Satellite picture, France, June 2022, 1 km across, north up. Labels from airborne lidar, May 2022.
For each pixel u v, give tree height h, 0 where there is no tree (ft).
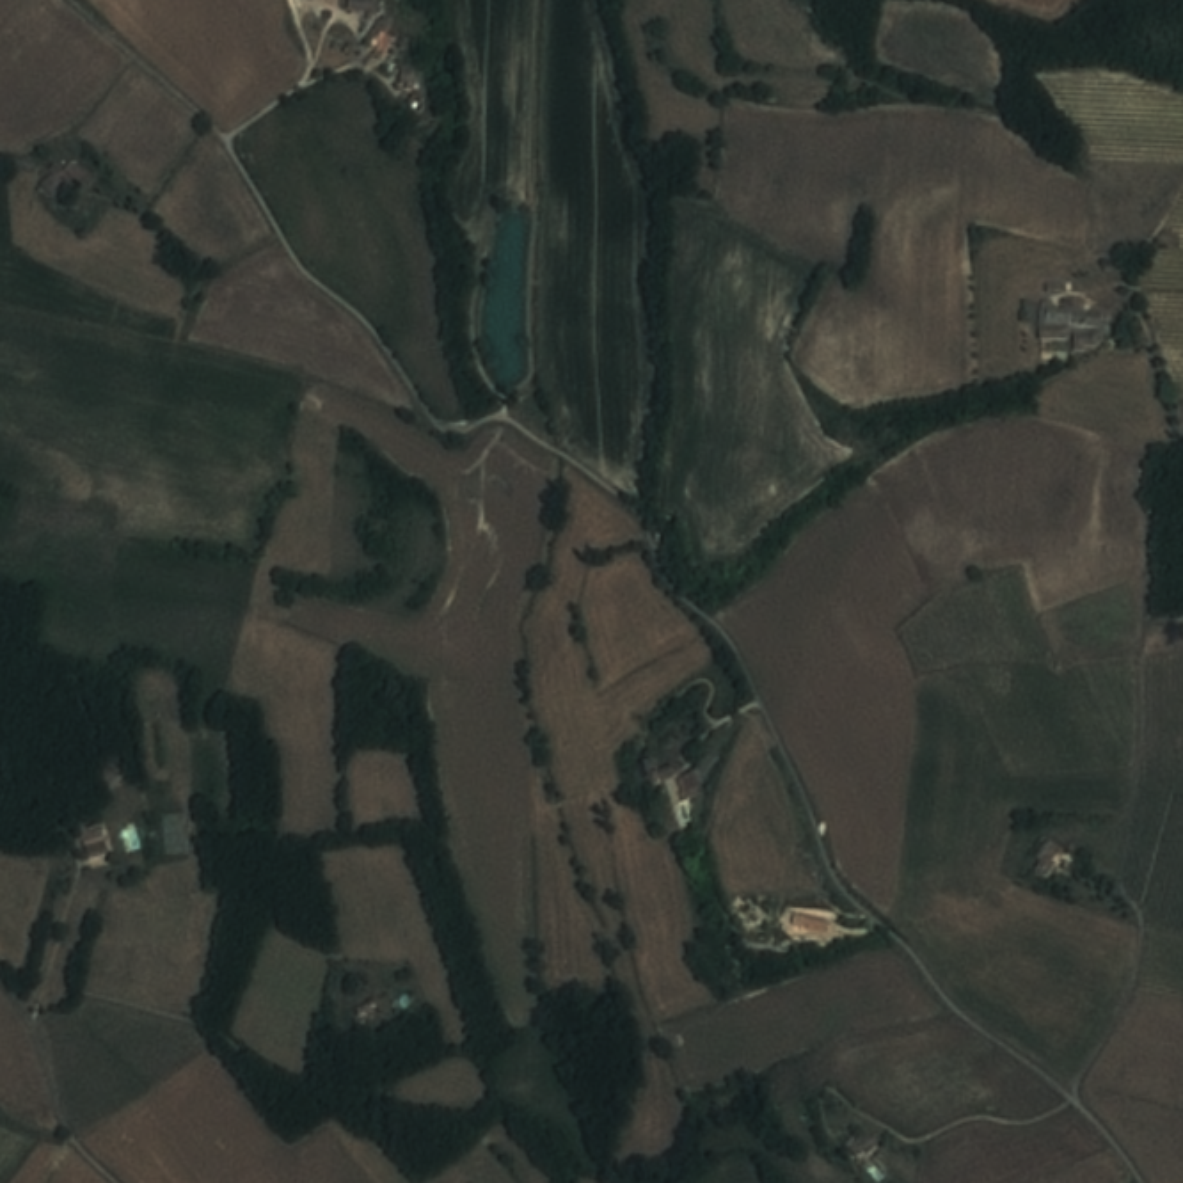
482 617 0
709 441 0
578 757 0
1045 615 0
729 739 0
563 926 0
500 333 0
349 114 0
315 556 0
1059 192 0
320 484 0
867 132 0
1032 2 0
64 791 65
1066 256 0
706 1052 0
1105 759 0
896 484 0
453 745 0
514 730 0
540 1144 55
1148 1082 0
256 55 0
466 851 0
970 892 0
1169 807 0
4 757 45
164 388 0
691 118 0
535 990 75
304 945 35
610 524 0
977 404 57
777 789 0
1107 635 0
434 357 0
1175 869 0
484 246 0
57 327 0
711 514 0
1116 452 0
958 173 0
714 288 0
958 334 0
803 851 0
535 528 0
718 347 0
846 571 0
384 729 50
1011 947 0
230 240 0
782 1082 0
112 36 0
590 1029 51
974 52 0
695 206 0
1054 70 27
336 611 0
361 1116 64
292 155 0
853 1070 0
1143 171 0
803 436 0
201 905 0
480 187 0
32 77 0
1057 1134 0
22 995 35
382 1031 34
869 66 38
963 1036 0
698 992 0
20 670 64
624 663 0
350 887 0
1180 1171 0
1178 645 0
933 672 0
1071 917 0
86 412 0
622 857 0
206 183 0
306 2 0
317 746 0
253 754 69
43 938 38
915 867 0
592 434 0
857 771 0
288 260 0
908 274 0
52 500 0
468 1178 0
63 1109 0
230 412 0
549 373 0
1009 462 0
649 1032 0
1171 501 42
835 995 0
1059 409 0
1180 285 0
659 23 39
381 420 0
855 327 0
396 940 0
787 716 0
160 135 0
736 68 44
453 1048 45
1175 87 38
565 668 0
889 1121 0
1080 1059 0
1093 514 0
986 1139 0
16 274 0
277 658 0
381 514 26
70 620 0
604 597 0
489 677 0
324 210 0
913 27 0
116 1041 0
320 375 0
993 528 0
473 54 0
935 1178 0
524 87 0
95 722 53
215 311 0
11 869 0
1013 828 26
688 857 58
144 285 0
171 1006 0
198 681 50
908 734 0
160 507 0
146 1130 0
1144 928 0
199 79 0
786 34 0
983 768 0
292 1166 0
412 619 0
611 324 0
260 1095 65
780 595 0
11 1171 0
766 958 47
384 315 0
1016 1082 0
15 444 0
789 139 0
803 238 0
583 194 0
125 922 0
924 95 61
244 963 43
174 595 0
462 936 77
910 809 0
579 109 0
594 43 0
